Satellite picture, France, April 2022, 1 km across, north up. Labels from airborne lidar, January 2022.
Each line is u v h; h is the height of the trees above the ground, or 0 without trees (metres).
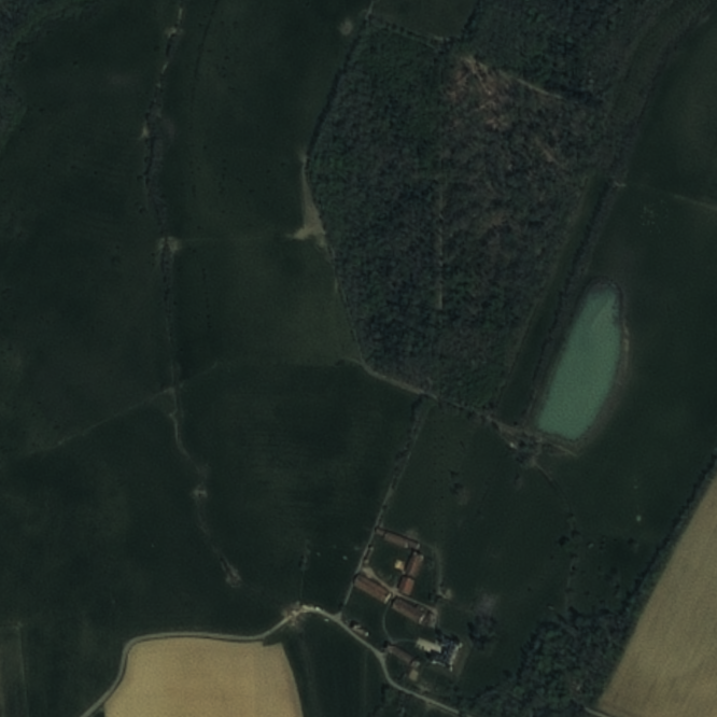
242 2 0
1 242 0
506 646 0
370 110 18
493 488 0
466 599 0
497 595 0
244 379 0
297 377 0
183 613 0
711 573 0
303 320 0
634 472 0
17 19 33
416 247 11
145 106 0
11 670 0
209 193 0
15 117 16
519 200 27
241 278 0
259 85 0
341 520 0
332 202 19
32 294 0
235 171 0
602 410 0
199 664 0
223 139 0
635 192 0
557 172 30
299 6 0
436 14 0
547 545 0
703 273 0
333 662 0
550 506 0
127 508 0
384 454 0
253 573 0
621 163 16
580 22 27
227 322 0
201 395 0
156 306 0
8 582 0
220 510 0
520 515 0
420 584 0
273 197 0
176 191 0
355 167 19
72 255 0
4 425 0
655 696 0
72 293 0
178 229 0
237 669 0
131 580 0
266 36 0
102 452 0
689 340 0
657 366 0
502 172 26
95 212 0
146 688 0
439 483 0
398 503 0
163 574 0
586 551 0
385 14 0
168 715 0
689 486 0
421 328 17
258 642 0
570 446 0
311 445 0
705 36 0
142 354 0
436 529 0
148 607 0
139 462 0
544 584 0
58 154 0
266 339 0
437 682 0
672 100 0
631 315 0
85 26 0
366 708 0
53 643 0
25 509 0
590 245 18
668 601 0
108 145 0
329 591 0
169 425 0
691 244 0
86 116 0
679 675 0
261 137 0
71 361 0
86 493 0
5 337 0
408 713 10
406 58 7
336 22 0
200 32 0
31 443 0
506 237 26
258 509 0
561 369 0
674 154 0
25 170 0
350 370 0
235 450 0
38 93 0
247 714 0
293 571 0
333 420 0
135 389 0
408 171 17
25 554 0
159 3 0
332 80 0
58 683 0
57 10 26
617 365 0
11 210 0
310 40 0
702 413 0
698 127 0
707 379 0
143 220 0
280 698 0
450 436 0
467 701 15
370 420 0
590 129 27
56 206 0
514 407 0
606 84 7
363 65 10
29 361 0
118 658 0
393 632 0
